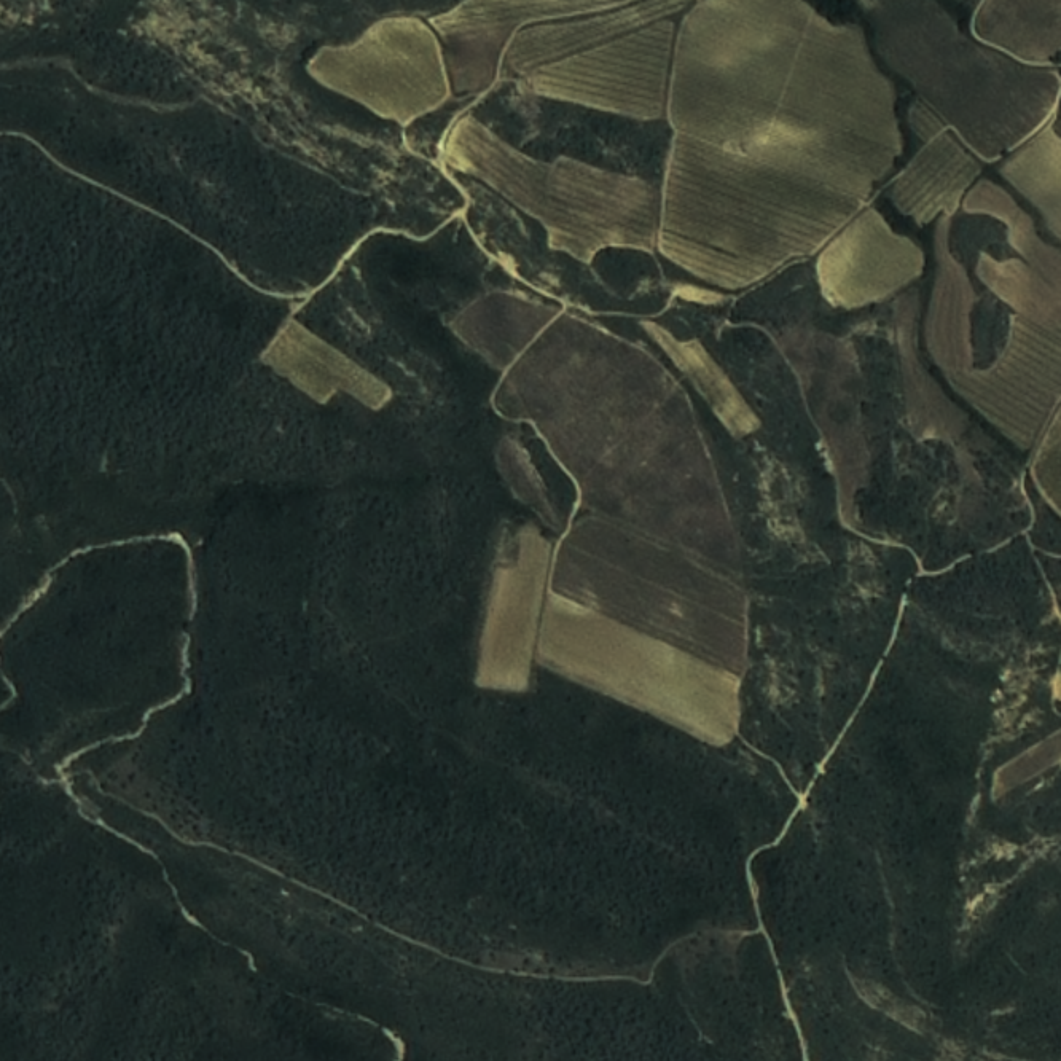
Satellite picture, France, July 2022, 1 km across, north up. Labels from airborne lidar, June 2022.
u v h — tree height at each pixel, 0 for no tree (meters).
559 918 6
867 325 0
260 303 9
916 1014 0
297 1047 8
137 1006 10
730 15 0
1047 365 0
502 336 0
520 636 0
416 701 8
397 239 7
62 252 14
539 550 0
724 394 0
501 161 0
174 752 8
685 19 0
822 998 0
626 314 0
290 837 14
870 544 0
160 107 0
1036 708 0
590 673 0
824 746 0
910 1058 0
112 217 8
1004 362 0
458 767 6
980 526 0
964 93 0
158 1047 8
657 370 0
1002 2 0
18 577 0
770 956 0
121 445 12
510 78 0
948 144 0
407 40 0
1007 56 0
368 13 0
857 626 0
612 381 0
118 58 7
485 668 0
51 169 7
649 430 0
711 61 0
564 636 0
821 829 7
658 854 8
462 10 0
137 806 0
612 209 0
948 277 0
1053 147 0
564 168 0
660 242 0
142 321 8
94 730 7
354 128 0
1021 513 8
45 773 6
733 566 0
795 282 0
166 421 10
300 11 0
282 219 7
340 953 7
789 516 0
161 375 13
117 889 7
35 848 9
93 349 13
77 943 13
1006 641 0
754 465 0
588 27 0
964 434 0
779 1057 6
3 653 6
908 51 0
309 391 0
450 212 0
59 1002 10
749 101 0
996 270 0
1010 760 0
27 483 10
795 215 0
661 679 0
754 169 0
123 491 8
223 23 0
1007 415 0
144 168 13
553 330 0
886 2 0
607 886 7
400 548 7
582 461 0
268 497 11
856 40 0
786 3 0
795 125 0
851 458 0
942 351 0
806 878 8
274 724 9
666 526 0
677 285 0
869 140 0
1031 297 0
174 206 10
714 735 0
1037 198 0
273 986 12
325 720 11
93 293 10
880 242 0
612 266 0
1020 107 0
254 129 0
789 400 0
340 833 9
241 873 0
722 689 0
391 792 11
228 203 8
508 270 0
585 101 0
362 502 11
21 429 12
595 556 0
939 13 0
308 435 8
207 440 7
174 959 6
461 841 7
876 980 0
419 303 9
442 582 10
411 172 0
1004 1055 0
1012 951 0
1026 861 0
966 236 0
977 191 0
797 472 0
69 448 10
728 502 0
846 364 0
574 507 0
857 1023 0
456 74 0
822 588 0
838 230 0
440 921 6
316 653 8
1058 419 0
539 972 7
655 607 0
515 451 0
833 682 0
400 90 0
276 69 0
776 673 0
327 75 0
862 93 0
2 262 12
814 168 0
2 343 12
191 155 9
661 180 0
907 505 6
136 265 11
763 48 0
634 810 11
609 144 6
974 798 0
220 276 9
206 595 6
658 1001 7
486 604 0
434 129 0
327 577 7
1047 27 0
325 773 7
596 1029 12
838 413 0
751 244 0
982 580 8
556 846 12
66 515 8
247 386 6
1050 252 0
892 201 9
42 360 10
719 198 0
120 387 12
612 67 0
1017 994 7
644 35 0
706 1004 0
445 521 8
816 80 0
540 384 0
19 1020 9
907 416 0
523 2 0
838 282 0
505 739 6
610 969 0
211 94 0
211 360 10
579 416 0
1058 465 0
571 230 0
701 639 0
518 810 10
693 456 0
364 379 0
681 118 0
